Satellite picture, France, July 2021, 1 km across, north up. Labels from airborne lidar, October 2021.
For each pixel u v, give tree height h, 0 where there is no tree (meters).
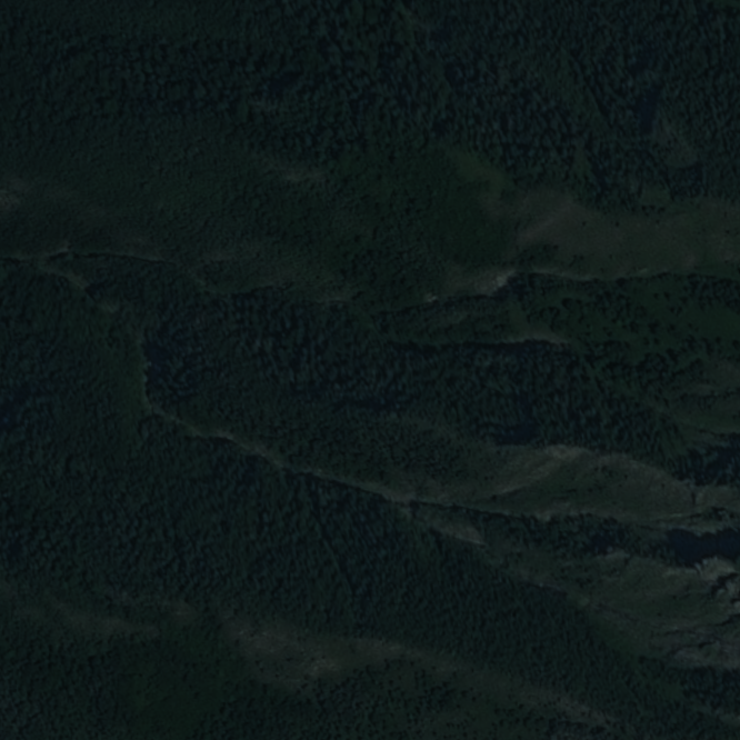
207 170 14
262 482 13
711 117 23
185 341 15
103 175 11
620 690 15
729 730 7
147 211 12
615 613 0
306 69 29
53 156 17
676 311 10
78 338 23
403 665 12
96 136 8
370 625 13
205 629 10
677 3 28
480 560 13
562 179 15
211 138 13
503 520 13
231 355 14
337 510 16
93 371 16
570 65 13
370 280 9
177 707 7
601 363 21
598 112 9
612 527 10
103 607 12
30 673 20
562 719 12
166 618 11
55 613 7
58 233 7
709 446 0
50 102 19
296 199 12
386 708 8
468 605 19
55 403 12
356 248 10
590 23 17
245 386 19
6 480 10
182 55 22
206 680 6
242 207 16
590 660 12
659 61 14
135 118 15
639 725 9
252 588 20
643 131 7
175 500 19
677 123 12
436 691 13
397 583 22
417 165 9
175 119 13
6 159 15
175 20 6
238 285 6
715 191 12
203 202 12
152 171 12
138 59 15
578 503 0
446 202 10
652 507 0
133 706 8
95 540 14
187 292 15
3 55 25
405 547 17
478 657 15
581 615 14
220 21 17
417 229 11
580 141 29
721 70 10
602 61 12
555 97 10
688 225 0
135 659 10
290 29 15
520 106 17
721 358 10
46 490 11
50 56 20
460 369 12
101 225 8
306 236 10
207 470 20
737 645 0
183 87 26
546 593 13
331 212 8
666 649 0
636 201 9
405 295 10
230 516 20
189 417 16
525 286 12
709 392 0
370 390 16
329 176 7
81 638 7
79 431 17
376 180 12
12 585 9
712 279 15
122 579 9
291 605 16
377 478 8
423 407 12
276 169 7
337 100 19
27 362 14
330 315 9
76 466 31
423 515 0
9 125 13
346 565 12
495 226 7
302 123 9
